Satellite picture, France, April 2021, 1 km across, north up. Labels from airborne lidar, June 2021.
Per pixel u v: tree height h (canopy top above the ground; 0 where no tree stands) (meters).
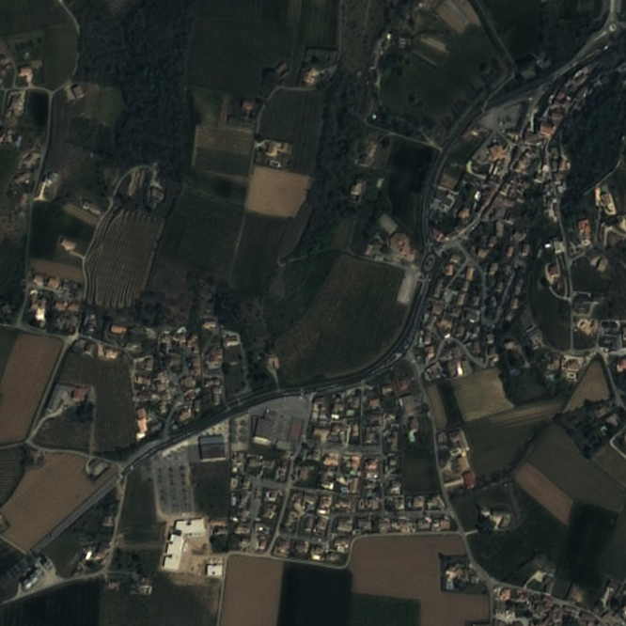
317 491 6
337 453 0
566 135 15
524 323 0
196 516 0
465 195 8
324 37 0
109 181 6
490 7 0
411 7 15
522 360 9
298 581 0
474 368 8
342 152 24
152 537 0
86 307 11
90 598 0
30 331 0
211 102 0
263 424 0
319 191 22
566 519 0
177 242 0
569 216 10
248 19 0
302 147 0
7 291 0
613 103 9
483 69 11
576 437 9
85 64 13
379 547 0
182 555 0
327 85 13
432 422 0
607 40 0
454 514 0
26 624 0
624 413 10
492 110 0
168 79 17
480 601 0
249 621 0
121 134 16
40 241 0
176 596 0
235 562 0
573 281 0
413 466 0
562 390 5
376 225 18
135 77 19
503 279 8
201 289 14
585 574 0
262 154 10
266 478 7
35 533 0
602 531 0
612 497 0
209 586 0
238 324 6
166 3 15
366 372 0
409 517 0
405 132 8
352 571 0
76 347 6
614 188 7
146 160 15
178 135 17
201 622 0
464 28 0
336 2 0
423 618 0
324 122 13
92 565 9
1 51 0
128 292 0
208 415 8
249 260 0
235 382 0
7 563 0
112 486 0
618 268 18
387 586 0
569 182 11
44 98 0
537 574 0
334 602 0
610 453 0
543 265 8
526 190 13
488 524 20
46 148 0
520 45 0
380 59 8
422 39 0
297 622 0
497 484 18
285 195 0
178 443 0
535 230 12
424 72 0
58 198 10
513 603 8
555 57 10
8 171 0
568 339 0
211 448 0
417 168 0
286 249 0
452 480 0
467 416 0
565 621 12
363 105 8
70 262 0
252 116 8
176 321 9
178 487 0
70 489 0
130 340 7
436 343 6
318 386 0
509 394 7
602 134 14
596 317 0
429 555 0
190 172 0
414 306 0
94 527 0
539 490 0
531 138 0
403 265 9
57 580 0
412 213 0
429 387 0
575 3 0
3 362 0
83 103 0
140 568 6
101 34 13
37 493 0
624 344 0
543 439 0
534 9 0
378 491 8
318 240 17
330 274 11
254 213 0
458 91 0
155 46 20
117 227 0
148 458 0
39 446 0
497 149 0
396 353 0
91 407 16
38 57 0
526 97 0
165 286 0
